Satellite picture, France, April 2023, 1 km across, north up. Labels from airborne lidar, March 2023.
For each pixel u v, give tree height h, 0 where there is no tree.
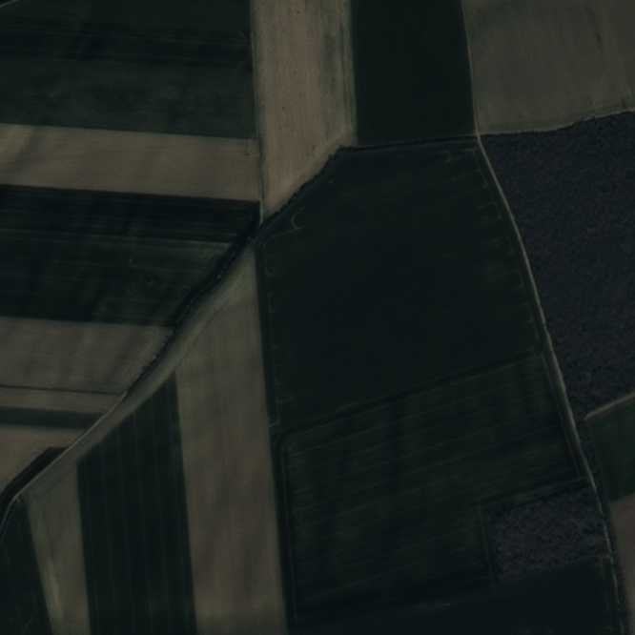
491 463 0
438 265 0
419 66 0
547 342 0
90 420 0
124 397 0
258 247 0
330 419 0
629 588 0
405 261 0
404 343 0
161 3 0
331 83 0
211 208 0
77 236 0
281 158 0
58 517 0
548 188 7
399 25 0
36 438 0
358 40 0
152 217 0
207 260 0
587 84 0
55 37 0
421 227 0
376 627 0
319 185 0
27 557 0
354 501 0
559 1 0
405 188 0
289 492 0
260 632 0
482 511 0
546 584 0
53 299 0
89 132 0
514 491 0
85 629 0
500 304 0
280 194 0
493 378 0
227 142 0
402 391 0
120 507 0
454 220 0
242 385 0
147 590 0
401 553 0
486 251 0
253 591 0
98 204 0
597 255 5
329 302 0
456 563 0
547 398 0
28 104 0
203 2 0
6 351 0
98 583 0
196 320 0
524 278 0
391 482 0
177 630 0
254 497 0
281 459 0
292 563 0
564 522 10
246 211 0
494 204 0
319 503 0
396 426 0
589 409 11
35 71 0
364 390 0
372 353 0
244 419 0
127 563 0
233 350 0
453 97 0
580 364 7
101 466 0
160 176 0
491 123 0
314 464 0
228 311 0
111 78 0
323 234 0
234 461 0
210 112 0
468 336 0
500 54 0
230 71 0
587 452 11
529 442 0
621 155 8
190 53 0
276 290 0
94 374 0
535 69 0
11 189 0
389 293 0
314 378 0
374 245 0
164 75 0
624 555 0
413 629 0
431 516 0
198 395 0
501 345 0
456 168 0
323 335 0
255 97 0
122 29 0
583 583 0
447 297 0
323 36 0
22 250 0
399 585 0
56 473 0
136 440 0
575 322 8
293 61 0
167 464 0
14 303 0
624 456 0
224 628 0
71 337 0
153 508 0
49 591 0
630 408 0
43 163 0
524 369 0
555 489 0
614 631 0
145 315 0
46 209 0
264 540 0
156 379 0
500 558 6
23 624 0
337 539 0
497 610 0
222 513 0
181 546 0
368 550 0
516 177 11
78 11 0
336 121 0
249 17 0
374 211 0
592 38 0
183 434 0
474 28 0
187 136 0
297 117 0
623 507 0
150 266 0
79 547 0
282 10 0
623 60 0
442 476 0
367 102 0
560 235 9
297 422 0
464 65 0
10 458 0
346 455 0
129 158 0
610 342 11
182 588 0
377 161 0
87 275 0
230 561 0
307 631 0
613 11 0
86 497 0
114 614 0
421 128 0
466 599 0
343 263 0
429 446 0
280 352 0
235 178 0
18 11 0
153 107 0
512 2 0
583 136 6
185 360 0
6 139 0
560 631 0
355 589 0
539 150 12
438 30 0
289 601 0
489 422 0
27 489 0
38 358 0
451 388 0
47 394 0
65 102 0
